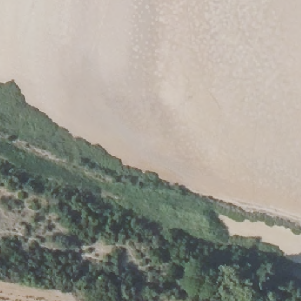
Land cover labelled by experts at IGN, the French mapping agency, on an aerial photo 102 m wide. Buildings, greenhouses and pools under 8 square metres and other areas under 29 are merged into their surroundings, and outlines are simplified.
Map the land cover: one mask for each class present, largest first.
<instances>
[{"label":"pervious surface","instance_id":"1","mask_svg":"<svg viewBox=\"0 0 301 301\"><path fill-rule=\"evenodd\" d=\"M14 81L28 105L47 114L56 125L68 129L73 136L105 148L108 154L119 158L125 166L139 168L142 172H154L170 185L179 183L190 192L234 203L246 212L280 216L301 226V0H0V82ZM230 235L257 236L263 242L279 247L283 254L288 255L294 262L301 263V234H294L292 230L281 226H267L261 221L238 222L226 215L219 216Z\"/></svg>","mask_w":301,"mask_h":301},{"label":"deciduous trees","instance_id":"2","mask_svg":"<svg viewBox=\"0 0 301 301\"><path fill-rule=\"evenodd\" d=\"M33 193L42 194L47 200V205L59 203L58 208L67 214L71 222L67 234L78 236L83 246L96 241H103L105 245L128 241L136 257L141 260L135 265L128 260L126 248L121 247L107 254L106 260L94 261L83 259L74 250L40 247L35 241L28 250H24L18 235L0 238V281L20 283L31 288L60 290L62 293L73 294L76 301H301V280L293 275L292 268L279 260L274 259L268 265H261L256 257H241V250L245 246L228 245L223 250L215 249L213 242L195 238L185 230H167L145 216L140 218L132 209L119 205L111 196L95 198L88 190L66 188L65 185L59 186L55 181L48 179L41 182L40 176L20 172L18 167L11 163L0 161V201L2 207L9 212L26 216L24 202L27 196Z\"/></svg>","mask_w":301,"mask_h":301},{"label":"brushwood","instance_id":"3","mask_svg":"<svg viewBox=\"0 0 301 301\"><path fill-rule=\"evenodd\" d=\"M13 134L18 135V140L26 141L27 147L35 146L47 150L58 156L59 161L55 163L16 147L13 141H9V136ZM11 163L18 167L20 172L40 176L41 182L48 179L55 181L59 186L65 185L66 188L88 190L95 198L111 196L119 205L132 209L140 218L145 216L167 230H185L195 238L213 242L215 249L223 250L228 245L245 246L241 250V257H256L261 265H268L274 259L279 260L292 268L293 275L301 280V263L294 262L288 255L283 254L279 247L263 242L257 236L230 235L219 216L226 215L238 222L261 221L267 226H281L292 230L294 234H301V226L280 216L246 212L234 203L190 192L179 183L170 185L154 172H142L139 168L125 166L119 158L108 154L105 148L73 136L68 129L56 125L47 114L28 105L14 81L0 82V161Z\"/></svg>","mask_w":301,"mask_h":301},{"label":"herbaceous vegetation","instance_id":"4","mask_svg":"<svg viewBox=\"0 0 301 301\"><path fill-rule=\"evenodd\" d=\"M9 141H13L16 147L55 163L59 161L58 156L47 150L35 146L27 147L26 141L18 140V135L13 134L9 136ZM59 203L47 205V200L42 194L33 193L27 196L24 202L26 216L9 212L2 207L0 201V238L18 235L24 250H28L35 241L40 247L74 250L83 259L94 261L106 260L107 254L121 247L126 248L128 260L135 265L141 260L136 257L128 241L105 245L103 241H96L83 246L78 236L67 234L71 222L67 214L58 208Z\"/></svg>","mask_w":301,"mask_h":301},{"label":"plowed land","instance_id":"5","mask_svg":"<svg viewBox=\"0 0 301 301\"><path fill-rule=\"evenodd\" d=\"M0 301H76L73 294L62 293L60 290L31 288L20 283L0 281Z\"/></svg>","mask_w":301,"mask_h":301}]
</instances>
